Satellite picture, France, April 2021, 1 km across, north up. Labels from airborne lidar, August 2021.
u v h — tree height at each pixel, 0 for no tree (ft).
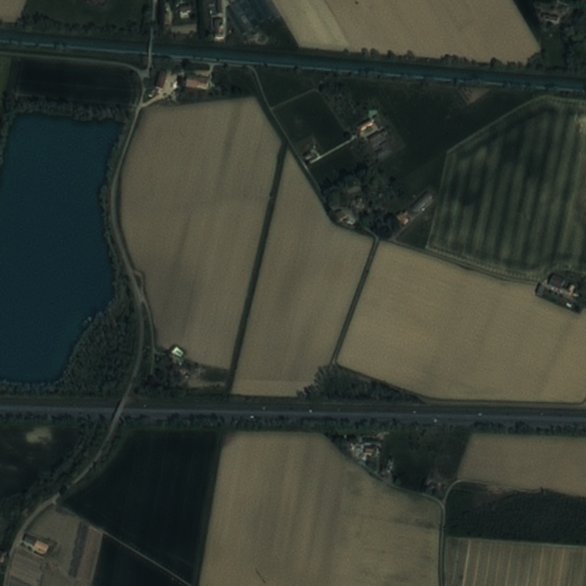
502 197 0
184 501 0
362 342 0
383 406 0
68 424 58
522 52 0
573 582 0
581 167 0
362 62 0
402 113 0
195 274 0
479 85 62
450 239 0
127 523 0
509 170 0
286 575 0
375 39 0
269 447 0
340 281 0
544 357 0
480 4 0
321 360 0
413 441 26
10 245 0
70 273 0
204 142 0
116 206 0
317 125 0
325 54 0
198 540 0
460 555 0
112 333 44
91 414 0
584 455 0
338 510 0
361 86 0
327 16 0
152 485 0
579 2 55
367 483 0
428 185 0
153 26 42
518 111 0
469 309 0
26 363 0
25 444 0
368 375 0
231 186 0
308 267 0
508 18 0
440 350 0
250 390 0
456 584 0
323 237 0
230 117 0
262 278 0
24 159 0
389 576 0
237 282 0
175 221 0
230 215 0
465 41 0
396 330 0
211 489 0
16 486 0
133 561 0
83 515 0
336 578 0
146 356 30
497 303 0
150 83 48
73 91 0
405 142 0
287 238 0
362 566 0
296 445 0
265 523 0
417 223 0
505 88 32
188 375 24
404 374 0
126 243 0
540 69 43
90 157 0
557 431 39
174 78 0
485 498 0
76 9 0
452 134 0
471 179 0
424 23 0
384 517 0
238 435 0
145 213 0
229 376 0
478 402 0
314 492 0
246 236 0
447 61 42
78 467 39
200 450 0
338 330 0
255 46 0
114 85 0
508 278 0
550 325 0
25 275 0
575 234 0
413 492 0
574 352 0
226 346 0
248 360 0
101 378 62
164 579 0
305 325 0
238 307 0
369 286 0
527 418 0
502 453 0
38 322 0
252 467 0
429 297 0
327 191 55
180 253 0
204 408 0
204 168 0
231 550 0
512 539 27
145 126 0
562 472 0
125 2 0
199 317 0
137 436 0
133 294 50
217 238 0
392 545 0
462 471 0
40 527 0
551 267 0
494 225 0
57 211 0
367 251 0
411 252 0
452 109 0
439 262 0
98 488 0
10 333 0
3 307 0
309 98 0
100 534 0
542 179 0
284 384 0
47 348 0
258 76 0
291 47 0
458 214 0
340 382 39
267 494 0
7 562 34
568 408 0
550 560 0
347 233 0
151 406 0
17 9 0
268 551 0
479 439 0
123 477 0
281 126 0
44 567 0
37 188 0
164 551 0
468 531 19
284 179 0
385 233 45
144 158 0
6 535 23
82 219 0
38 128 0
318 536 0
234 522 0
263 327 0
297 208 0
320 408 0
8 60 0
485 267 0
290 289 0
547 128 0
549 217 0
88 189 0
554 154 0
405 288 0
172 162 0
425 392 0
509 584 0
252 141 0
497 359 0
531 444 0
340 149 0
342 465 0
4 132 72
